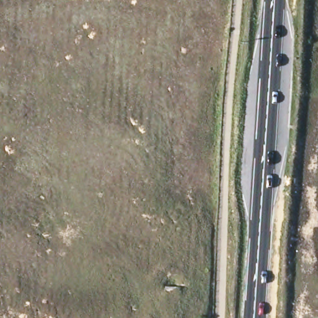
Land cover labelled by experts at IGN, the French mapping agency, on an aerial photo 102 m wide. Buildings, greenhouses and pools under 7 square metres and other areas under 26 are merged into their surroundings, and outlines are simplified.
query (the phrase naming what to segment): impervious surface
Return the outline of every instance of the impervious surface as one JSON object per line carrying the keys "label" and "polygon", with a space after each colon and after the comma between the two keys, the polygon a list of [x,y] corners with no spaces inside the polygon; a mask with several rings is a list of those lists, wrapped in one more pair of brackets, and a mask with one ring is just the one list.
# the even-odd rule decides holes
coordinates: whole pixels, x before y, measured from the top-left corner
{"label": "impervious surface", "polygon": [[240,318],[284,318],[291,178],[284,174],[284,168],[291,129],[294,60],[292,17],[297,15],[297,0],[260,0],[243,133],[241,189],[246,231]]}

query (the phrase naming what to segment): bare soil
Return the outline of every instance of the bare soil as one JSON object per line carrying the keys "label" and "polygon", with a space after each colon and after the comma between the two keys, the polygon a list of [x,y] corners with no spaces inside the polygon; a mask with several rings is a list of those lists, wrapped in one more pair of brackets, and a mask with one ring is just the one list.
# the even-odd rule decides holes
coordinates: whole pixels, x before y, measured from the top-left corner
{"label": "bare soil", "polygon": [[312,236],[318,227],[318,190],[306,189],[309,220],[302,227],[303,237]]}
{"label": "bare soil", "polygon": [[308,291],[303,291],[296,298],[294,318],[303,318],[312,311],[304,303]]}

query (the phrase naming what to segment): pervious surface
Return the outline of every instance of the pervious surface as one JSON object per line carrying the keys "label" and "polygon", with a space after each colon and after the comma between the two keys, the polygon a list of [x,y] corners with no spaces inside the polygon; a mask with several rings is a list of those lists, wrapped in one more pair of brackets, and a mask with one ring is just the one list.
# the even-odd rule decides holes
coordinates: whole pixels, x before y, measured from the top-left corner
{"label": "pervious surface", "polygon": [[242,0],[235,0],[234,32],[231,39],[225,104],[224,164],[217,247],[217,318],[225,318],[231,113]]}
{"label": "pervious surface", "polygon": [[303,188],[301,181],[291,178],[284,318],[294,318],[296,298],[296,250],[299,240],[303,237],[302,227],[309,220],[306,189]]}

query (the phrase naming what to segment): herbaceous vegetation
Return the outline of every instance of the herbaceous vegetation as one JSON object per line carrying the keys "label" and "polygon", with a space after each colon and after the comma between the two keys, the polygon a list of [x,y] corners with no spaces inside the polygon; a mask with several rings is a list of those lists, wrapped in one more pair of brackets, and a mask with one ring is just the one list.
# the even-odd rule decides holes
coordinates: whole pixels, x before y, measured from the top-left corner
{"label": "herbaceous vegetation", "polygon": [[0,318],[217,318],[217,247],[224,164],[225,104],[231,39],[234,32],[235,0],[0,0]]}
{"label": "herbaceous vegetation", "polygon": [[297,0],[297,15],[292,17],[294,60],[291,129],[284,168],[284,174],[291,178],[301,181],[303,188],[306,189],[318,190],[318,0]]}
{"label": "herbaceous vegetation", "polygon": [[303,318],[318,318],[318,227],[312,236],[303,237],[299,240],[296,250],[296,298],[303,291],[308,291],[304,303],[312,311]]}
{"label": "herbaceous vegetation", "polygon": [[240,318],[246,231],[241,189],[243,133],[260,0],[242,0],[231,113],[225,318]]}

